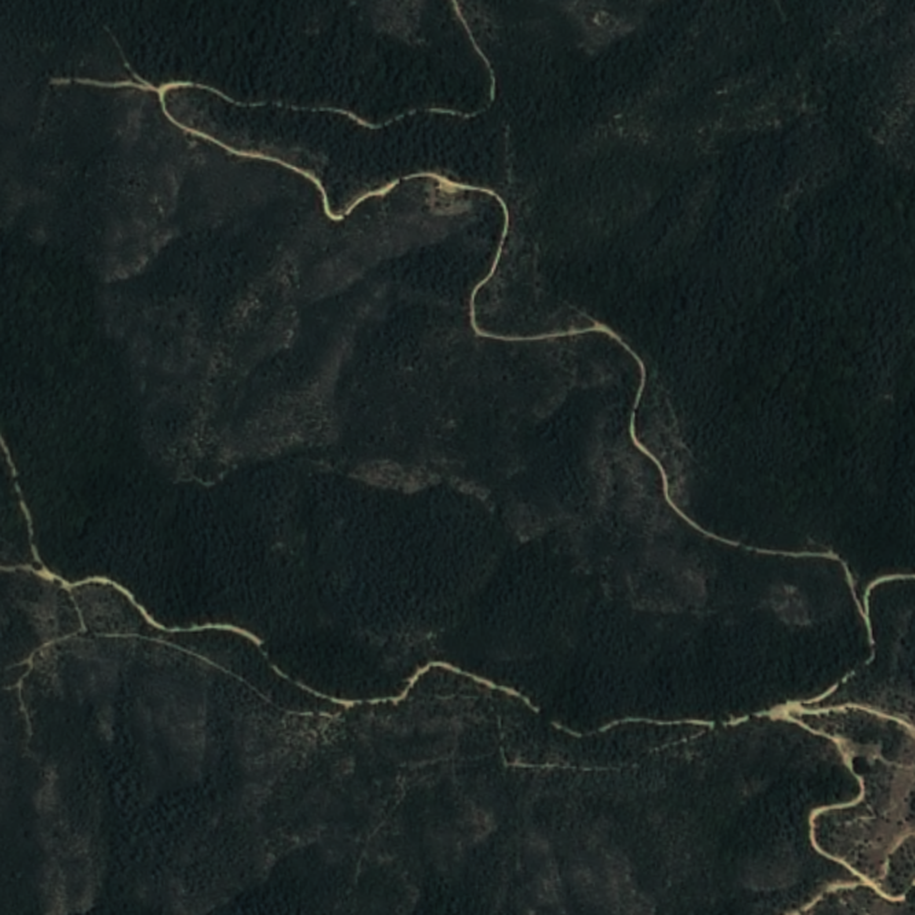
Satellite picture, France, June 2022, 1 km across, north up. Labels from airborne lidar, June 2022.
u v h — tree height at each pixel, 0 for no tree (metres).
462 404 9
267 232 6
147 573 12
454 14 7
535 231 6
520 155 7
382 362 7
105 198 8
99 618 7
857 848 6
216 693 9
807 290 11
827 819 7
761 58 6
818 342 14
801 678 9
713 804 10
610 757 7
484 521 13
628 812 8
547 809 7
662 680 12
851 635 8
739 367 15
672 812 6
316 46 15
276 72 16
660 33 8
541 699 12
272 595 12
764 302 7
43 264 13
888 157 7
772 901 11
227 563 14
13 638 8
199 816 17
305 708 11
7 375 8
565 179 12
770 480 13
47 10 9
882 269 12
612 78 10
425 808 7
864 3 8
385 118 10
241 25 8
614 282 6
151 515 6
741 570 6
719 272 8
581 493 11
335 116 12
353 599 9
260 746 0
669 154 9
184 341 0
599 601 11
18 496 11
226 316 9
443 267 14
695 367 11
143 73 12
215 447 7
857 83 7
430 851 8
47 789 0
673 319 13
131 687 9
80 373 12
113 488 11
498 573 7
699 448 7
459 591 11
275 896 10
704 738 8
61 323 13
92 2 16
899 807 0
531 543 7
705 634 9
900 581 5
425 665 8
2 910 5
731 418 14
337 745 7
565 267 6
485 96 10
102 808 7
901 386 10
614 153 9
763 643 13
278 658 13
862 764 13
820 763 6
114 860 6
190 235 9
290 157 0
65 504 12
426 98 9
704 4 14
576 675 12
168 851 7
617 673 8
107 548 12
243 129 10
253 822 9
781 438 15
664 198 9
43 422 10
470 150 15
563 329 7
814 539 8
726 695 12
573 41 6
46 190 9
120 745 13
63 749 12
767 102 11
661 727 10
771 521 8
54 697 9
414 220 0
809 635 7
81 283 9
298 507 12
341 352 0
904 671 8
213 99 10
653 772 12
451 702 0
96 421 16
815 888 8
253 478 13
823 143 16
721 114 8
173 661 7
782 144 16
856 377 14
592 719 12
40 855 6
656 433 0
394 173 12
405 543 14
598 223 8
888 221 13
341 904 9
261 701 9
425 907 9
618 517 8
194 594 8
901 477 13
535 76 7
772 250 13
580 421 10
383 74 13
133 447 8
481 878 7
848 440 15
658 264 11
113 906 8
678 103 6
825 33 7
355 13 9
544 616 8
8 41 7
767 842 6
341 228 9
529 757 10
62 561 8
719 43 9
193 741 0
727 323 15
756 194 16
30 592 6
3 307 12
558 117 15
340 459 8
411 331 14
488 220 10
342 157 14
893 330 17
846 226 10
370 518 13
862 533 14
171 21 8
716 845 9
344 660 14
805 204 12
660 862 6
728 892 7
